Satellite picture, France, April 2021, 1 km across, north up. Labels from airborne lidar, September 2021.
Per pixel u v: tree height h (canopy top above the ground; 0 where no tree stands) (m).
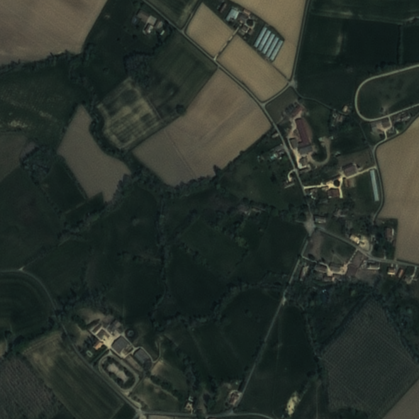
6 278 0
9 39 0
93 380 0
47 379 0
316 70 0
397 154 0
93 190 0
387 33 0
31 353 0
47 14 0
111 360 15
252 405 0
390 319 12
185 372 16
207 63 0
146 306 0
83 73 0
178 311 0
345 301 6
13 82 0
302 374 0
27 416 26
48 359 0
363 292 9
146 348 0
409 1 0
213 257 0
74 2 0
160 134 0
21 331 0
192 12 0
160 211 7
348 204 6
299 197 0
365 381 0
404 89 0
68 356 0
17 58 0
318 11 0
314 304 15
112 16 0
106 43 0
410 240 0
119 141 0
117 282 0
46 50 0
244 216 16
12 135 0
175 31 14
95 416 0
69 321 15
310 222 0
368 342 0
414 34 0
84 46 0
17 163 0
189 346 0
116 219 0
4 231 0
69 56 15
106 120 0
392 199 0
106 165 0
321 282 7
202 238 0
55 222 0
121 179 0
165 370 0
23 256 0
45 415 25
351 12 0
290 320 0
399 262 0
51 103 0
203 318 11
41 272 0
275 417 0
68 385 0
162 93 0
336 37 0
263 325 0
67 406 0
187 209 0
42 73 0
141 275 0
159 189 18
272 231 0
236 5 0
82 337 0
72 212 0
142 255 0
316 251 0
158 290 0
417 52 0
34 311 0
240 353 0
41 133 0
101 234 0
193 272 0
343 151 0
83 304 22
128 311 0
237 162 12
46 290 0
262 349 13
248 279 0
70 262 0
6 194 0
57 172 0
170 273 0
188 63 0
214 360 0
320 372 8
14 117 0
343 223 8
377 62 0
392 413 0
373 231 16
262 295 0
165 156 0
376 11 0
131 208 0
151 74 0
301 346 0
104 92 0
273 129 11
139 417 0
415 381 0
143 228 0
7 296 0
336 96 0
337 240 0
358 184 0
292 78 0
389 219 0
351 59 0
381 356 0
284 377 0
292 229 0
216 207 0
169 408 0
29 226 0
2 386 26
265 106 0
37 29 0
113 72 0
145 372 11
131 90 0
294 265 0
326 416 0
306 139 0
